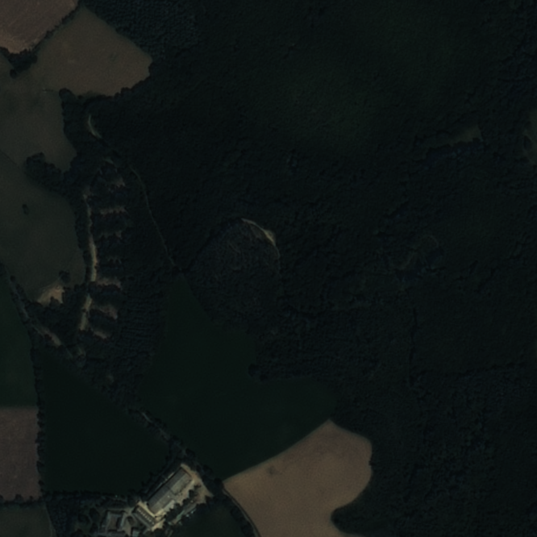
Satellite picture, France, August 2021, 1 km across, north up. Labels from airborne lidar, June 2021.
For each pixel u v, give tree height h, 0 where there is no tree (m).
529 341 28
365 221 28
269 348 8
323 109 9
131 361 13
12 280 12
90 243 19
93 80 0
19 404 0
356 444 0
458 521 6
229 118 11
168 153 23
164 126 25
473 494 7
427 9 19
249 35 23
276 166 30
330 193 30
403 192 28
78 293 17
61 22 7
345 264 31
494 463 10
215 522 0
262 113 18
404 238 24
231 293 23
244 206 17
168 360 0
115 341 19
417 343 20
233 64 25
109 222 24
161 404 0
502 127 18
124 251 25
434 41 15
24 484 0
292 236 10
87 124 24
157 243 26
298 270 23
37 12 0
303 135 20
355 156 23
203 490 0
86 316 19
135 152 25
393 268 31
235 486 0
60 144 0
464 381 28
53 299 10
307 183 32
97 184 25
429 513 9
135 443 0
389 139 32
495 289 29
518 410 25
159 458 0
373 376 15
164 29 28
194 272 24
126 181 26
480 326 23
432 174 28
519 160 7
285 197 16
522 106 20
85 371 18
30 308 15
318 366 6
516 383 25
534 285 26
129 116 25
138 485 0
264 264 21
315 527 0
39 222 0
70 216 0
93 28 0
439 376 28
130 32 22
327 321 8
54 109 0
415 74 15
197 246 27
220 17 22
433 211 29
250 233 20
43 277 0
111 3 27
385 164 26
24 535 0
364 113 16
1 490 0
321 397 0
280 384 0
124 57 0
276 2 20
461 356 25
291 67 15
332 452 0
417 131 31
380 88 25
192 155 28
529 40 23
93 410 0
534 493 14
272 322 24
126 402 19
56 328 27
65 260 0
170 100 25
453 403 26
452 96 26
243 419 0
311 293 28
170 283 23
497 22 27
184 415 0
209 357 0
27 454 0
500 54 22
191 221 33
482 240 18
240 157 21
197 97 11
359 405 8
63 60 0
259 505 0
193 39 24
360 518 8
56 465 0
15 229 0
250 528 22
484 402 22
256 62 19
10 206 0
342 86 13
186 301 0
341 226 12
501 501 11
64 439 0
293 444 0
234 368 0
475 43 22
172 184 28
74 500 14
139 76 0
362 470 0
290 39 23
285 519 0
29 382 0
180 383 0
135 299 18
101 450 0
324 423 0
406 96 25
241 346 0
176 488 0
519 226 23
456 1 28
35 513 0
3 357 0
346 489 0
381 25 13
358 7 19
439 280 27
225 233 19
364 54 22
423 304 24
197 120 14
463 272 29
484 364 26
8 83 0
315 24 20
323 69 12
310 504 0
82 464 0
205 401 0
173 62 22
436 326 27
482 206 21
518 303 29
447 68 16
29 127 0
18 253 0
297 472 0
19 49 0
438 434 28
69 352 16
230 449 0
